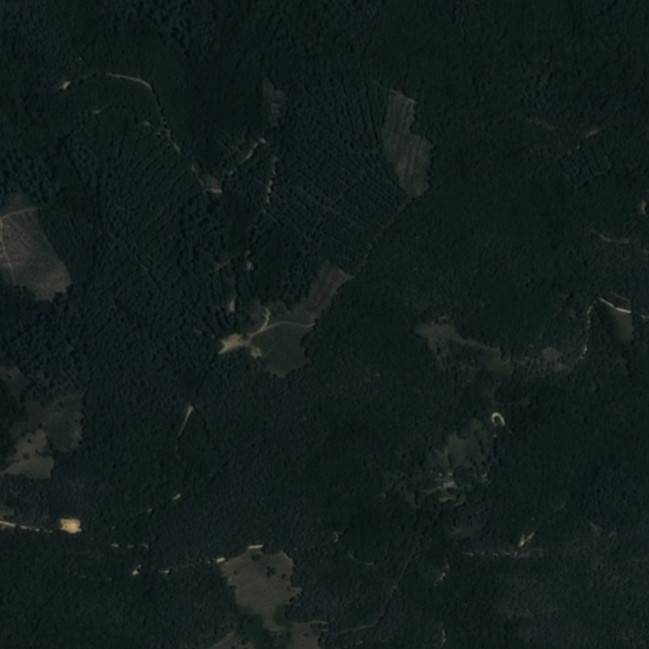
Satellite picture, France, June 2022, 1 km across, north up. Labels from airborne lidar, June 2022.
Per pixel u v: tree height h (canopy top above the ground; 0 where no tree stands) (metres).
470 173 16
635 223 22
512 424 13
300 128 16
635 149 17
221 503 19
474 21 19
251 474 21
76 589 10
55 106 15
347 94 13
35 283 0
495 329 16
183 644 9
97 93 9
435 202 14
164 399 16
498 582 7
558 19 17
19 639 15
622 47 18
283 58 11
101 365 25
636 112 10
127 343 26
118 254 21
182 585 11
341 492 9
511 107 13
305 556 16
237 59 17
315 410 14
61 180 21
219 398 14
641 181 19
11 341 18
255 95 12
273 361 0
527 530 9
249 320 22
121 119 15
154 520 19
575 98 9
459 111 20
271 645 8
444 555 8
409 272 12
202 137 18
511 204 17
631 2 18
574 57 19
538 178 16
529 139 12
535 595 9
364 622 13
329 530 15
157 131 17
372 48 24
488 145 15
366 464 23
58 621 8
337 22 20
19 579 15
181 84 22
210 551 15
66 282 0
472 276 12
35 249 0
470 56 23
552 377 16
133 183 24
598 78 14
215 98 19
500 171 14
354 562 7
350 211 12
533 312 18
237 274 17
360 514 13
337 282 0
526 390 12
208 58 23
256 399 18
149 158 17
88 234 13
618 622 14
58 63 18
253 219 19
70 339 19
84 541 16
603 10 11
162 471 6
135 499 10
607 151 12
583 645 9
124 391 24
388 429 11
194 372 21
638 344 18
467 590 18
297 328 0
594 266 15
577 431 16
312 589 14
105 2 16
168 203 17
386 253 9
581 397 23
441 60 19
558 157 9
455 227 14
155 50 20
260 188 16
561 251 29
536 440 21
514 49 16
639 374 17
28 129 18
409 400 14
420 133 17
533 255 17
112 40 12
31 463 0
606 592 10
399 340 20
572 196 22
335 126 15
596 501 29
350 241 14
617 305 16
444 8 24
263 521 13
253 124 16
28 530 10
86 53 13
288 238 18
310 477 12
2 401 19
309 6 14
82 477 10
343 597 15
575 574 11
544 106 8
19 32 13
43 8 15
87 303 26
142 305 22
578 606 13
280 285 25
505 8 16
